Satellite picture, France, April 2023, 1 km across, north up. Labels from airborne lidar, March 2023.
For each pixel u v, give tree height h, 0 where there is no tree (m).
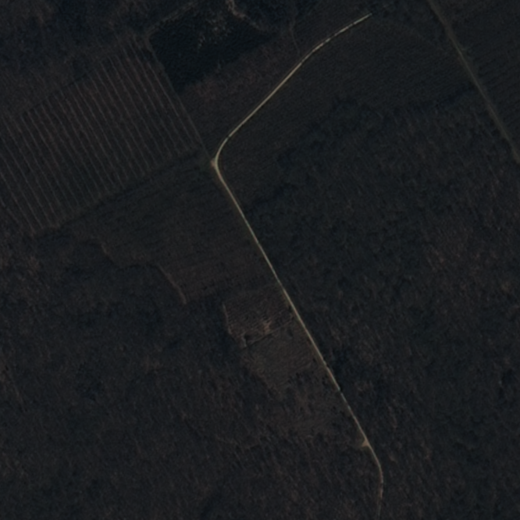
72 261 19
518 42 16
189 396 19
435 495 32
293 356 0
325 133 27
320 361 0
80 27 9
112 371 23
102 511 25
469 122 19
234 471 21
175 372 22
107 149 15
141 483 19
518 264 18
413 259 18
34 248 23
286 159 13
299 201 26
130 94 15
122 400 23
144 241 15
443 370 28
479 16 15
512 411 28
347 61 8
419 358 31
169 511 27
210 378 21
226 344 21
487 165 26
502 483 27
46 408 23
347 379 18
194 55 7
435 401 27
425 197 22
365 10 11
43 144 16
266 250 14
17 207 16
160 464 15
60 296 25
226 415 8
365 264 24
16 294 25
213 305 15
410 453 27
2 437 20
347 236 23
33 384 20
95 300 26
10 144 13
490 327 23
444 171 19
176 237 15
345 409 0
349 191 26
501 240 20
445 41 25
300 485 24
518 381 29
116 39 15
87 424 22
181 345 22
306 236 31
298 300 20
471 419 23
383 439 24
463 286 24
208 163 0
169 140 19
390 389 13
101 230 17
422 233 24
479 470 27
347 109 18
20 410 24
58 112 14
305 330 0
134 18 14
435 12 21
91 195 16
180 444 22
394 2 16
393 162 21
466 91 21
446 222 28
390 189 27
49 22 17
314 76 6
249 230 0
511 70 16
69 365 29
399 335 29
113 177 15
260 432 21
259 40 7
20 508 28
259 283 14
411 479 25
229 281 13
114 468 22
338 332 25
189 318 23
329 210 24
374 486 19
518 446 24
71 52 17
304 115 7
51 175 14
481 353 29
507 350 23
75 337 23
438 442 28
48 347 18
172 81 7
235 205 0
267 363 0
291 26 19
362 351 23
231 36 6
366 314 27
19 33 19
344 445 23
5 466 22
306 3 9
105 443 13
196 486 24
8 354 22
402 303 28
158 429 21
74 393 23
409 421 28
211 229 19
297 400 27
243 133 8
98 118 14
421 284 25
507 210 25
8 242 25
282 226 28
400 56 6
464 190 25
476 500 14
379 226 20
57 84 19
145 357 28
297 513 15
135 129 14
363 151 25
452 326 22
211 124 8
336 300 25
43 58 19
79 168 16
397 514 29
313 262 20
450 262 26
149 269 21
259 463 13
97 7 17
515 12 16
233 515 18
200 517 20
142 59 10
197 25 6
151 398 19
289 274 28
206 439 23
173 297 18
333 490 25
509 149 22
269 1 14
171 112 13
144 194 15
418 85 7
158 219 17
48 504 24
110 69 12
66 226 16
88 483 22
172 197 16
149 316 24
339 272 26
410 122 25
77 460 21
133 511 27
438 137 25
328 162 27
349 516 27
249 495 22
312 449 19
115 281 25
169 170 15
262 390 20
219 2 6
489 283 22
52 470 26
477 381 28
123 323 26
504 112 16
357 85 6
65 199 13
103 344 22
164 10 12
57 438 17
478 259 27
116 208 18
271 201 11
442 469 28
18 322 28
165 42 6
